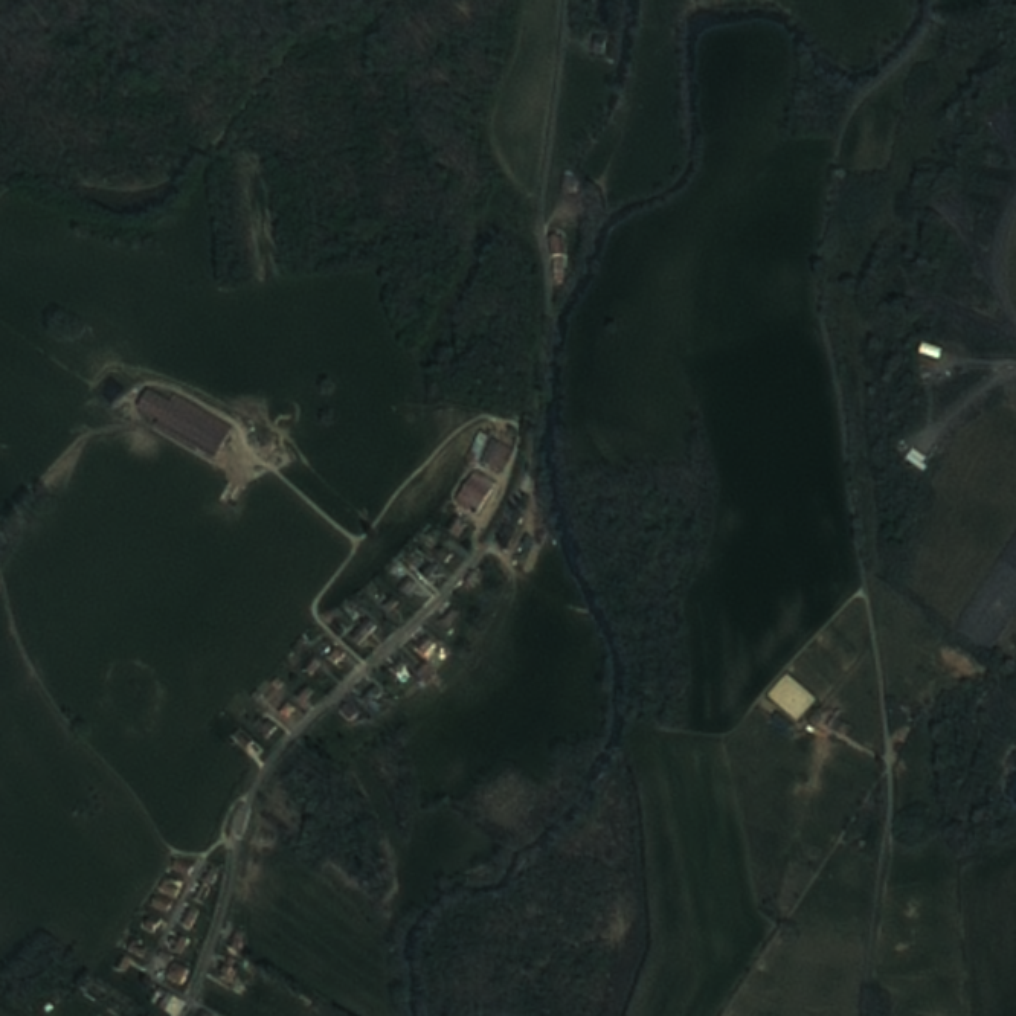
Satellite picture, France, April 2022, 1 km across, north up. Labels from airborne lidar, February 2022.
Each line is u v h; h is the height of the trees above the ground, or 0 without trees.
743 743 0
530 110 0
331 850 18
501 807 0
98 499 0
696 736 0
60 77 16
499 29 26
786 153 0
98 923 0
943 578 0
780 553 0
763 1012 0
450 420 0
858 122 0
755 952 0
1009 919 0
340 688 0
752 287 0
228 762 0
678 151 0
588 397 0
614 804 0
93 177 14
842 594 0
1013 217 0
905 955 0
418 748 0
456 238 21
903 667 0
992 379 0
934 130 0
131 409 0
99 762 0
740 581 0
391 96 20
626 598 6
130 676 0
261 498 0
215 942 0
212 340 0
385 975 0
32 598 0
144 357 0
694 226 0
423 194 12
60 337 23
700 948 0
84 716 0
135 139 13
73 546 0
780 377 0
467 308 25
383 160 7
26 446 0
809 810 0
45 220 0
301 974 0
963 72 0
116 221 17
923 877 0
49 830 0
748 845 0
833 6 0
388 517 0
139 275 0
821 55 12
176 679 0
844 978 0
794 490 0
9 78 16
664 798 0
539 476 16
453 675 0
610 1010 0
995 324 0
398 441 0
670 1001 0
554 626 0
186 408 0
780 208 0
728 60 0
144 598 0
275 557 0
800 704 0
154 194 0
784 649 0
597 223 22
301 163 10
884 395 6
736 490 0
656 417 0
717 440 0
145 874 0
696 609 0
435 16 24
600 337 0
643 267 0
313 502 0
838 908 0
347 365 0
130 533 0
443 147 24
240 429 0
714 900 0
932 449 0
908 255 14
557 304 11
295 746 9
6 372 0
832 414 0
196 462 0
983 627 0
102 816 0
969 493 0
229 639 0
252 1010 0
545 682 0
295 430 0
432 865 0
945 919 0
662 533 16
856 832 6
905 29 0
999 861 0
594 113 0
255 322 0
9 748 0
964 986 0
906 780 0
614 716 11
